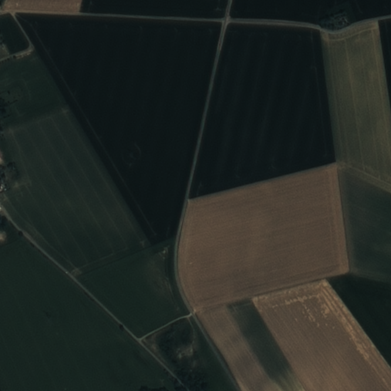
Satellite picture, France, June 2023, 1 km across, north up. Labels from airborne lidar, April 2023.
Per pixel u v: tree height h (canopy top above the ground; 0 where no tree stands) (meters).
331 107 0
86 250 0
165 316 0
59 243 0
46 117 0
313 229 0
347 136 0
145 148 0
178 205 0
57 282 0
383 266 0
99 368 0
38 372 0
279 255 0
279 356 0
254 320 0
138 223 0
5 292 0
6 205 0
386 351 0
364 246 0
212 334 0
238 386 0
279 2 0
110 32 0
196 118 0
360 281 0
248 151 0
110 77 0
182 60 0
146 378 0
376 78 0
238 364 0
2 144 0
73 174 0
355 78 0
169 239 0
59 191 0
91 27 0
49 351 0
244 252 0
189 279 0
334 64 0
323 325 0
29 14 0
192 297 0
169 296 0
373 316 0
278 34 0
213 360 0
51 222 0
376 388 0
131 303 0
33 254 0
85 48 0
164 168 0
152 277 0
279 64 0
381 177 0
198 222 0
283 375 0
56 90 0
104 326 0
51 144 0
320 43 0
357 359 0
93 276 0
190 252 0
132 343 0
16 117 0
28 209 0
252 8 0
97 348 0
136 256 0
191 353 0
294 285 0
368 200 0
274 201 0
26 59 0
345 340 0
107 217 0
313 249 0
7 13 0
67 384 0
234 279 0
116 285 0
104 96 0
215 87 0
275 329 0
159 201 0
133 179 0
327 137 0
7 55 0
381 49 0
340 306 0
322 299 0
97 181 0
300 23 0
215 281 0
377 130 0
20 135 0
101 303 0
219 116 0
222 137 0
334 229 0
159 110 0
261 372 0
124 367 0
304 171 0
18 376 0
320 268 0
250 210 0
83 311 0
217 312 0
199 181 0
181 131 0
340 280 0
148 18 0
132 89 0
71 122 0
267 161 0
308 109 0
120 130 0
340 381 0
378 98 0
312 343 0
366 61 0
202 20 0
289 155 0
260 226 0
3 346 0
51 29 0
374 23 0
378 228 0
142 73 0
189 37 0
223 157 0
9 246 0
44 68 0
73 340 0
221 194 0
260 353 0
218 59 0
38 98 0
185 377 14
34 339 0
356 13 0
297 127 0
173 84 0
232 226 0
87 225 0
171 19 0
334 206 0
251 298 0
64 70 0
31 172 0
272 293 0
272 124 0
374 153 0
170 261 0
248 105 0
